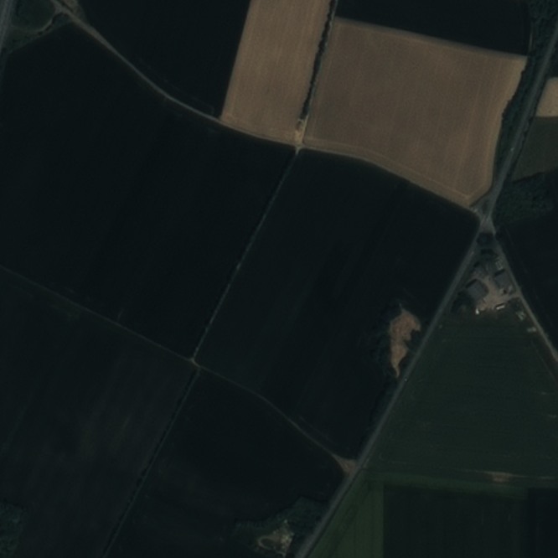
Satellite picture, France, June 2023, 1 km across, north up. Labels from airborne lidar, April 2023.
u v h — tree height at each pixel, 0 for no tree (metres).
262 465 0
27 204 0
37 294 0
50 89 0
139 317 0
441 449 0
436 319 0
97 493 0
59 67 0
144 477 8
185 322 0
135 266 0
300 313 0
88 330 0
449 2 0
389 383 13
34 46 0
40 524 0
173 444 0
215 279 0
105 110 0
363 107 0
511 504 0
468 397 0
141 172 0
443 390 0
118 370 0
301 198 0
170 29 0
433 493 0
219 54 0
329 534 0
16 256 0
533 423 0
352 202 0
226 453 0
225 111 0
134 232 0
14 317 0
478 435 0
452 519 0
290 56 0
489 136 0
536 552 0
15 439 0
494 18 0
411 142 0
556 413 0
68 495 0
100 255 0
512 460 0
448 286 0
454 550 0
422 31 0
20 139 0
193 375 9
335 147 0
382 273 0
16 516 18
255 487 0
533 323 0
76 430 0
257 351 0
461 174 0
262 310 0
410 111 0
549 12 11
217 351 0
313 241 0
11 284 0
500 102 0
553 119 0
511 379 0
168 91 0
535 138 0
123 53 0
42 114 0
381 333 6
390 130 0
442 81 0
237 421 0
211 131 0
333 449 0
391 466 0
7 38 0
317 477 0
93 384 0
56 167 0
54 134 0
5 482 0
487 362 0
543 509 0
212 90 0
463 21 0
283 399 0
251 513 0
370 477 0
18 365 0
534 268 0
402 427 0
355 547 0
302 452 0
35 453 0
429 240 0
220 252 0
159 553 0
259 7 0
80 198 0
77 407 0
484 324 0
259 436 0
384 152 0
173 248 0
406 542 0
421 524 0
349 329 0
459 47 0
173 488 0
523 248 0
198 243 0
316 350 0
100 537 0
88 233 0
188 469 0
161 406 0
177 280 0
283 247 0
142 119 0
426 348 0
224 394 0
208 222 0
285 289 0
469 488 0
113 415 0
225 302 0
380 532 0
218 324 0
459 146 0
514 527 0
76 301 0
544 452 0
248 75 0
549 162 0
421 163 0
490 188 0
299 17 0
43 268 0
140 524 0
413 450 0
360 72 0
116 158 0
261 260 0
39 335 0
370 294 0
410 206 0
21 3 10
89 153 0
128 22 0
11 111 0
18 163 0
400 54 0
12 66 0
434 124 0
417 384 0
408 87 0
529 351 0
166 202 0
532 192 10
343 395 0
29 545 0
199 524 0
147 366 0
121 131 0
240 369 0
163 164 0
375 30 0
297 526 16
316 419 0
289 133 0
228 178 0
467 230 0
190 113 0
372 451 0
